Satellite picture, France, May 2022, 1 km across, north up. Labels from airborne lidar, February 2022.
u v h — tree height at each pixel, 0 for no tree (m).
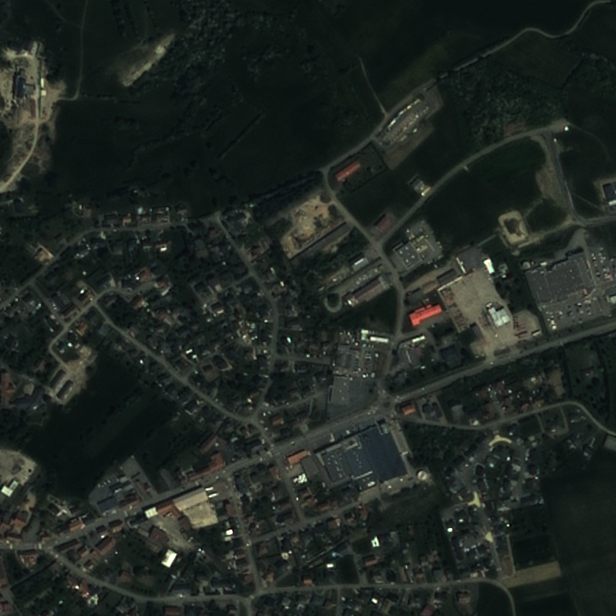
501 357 0
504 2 0
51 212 0
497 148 0
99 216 0
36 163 0
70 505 0
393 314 0
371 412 0
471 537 0
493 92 9
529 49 0
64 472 0
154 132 0
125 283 10
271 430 0
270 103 0
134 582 0
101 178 0
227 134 0
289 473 0
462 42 0
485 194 0
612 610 0
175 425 0
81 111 0
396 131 0
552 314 0
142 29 0
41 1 0
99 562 0
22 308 0
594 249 0
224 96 0
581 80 6
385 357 0
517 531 8
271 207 14
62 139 0
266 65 7
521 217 0
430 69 0
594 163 0
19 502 0
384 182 0
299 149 0
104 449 0
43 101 0
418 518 0
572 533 0
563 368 6
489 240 0
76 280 0
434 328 0
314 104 0
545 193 0
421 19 0
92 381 0
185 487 0
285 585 0
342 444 0
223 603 0
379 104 0
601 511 0
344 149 0
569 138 0
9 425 9
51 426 0
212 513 0
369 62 0
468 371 0
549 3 0
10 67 10
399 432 0
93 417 0
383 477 0
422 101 0
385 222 0
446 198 0
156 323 7
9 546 0
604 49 0
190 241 9
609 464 0
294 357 0
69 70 0
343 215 0
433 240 0
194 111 9
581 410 0
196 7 19
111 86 0
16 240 0
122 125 13
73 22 0
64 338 0
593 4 0
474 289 0
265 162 0
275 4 0
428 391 0
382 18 0
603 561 0
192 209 0
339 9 6
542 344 0
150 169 0
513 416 0
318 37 0
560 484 0
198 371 0
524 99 6
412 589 0
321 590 0
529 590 0
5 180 0
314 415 0
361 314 0
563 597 0
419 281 0
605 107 0
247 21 7
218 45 8
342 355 0
